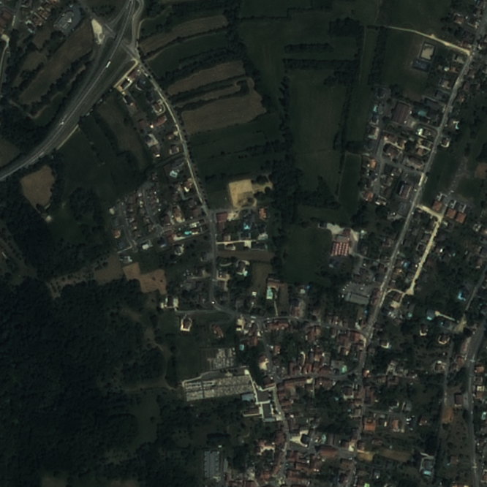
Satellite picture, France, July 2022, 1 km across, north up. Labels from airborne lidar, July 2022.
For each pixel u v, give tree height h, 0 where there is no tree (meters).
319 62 8
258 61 0
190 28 0
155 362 12
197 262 0
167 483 11
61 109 7
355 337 0
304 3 0
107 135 11
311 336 0
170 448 10
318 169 0
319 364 0
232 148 0
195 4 5
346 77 16
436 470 13
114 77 0
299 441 0
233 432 0
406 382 0
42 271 14
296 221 11
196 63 11
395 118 0
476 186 0
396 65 0
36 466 17
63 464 19
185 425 8
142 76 0
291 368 0
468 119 0
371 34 0
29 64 0
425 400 0
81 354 12
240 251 0
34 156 0
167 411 17
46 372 32
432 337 6
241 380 0
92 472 15
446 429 10
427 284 0
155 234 0
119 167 0
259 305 0
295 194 14
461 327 0
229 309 0
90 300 10
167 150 0
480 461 6
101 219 12
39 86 0
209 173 0
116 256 0
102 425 18
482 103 0
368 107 0
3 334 35
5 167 8
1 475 18
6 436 21
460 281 13
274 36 0
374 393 11
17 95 19
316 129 0
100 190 0
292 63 8
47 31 0
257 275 0
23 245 23
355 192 0
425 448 13
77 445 12
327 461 0
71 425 28
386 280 0
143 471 19
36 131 12
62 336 18
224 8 7
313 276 0
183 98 6
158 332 7
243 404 12
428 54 0
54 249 21
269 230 0
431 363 0
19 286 0
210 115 0
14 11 0
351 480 0
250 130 0
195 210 0
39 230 28
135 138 0
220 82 6
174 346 7
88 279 6
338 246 0
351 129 0
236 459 11
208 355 0
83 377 26
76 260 10
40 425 27
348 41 0
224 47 6
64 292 17
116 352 10
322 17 0
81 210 11
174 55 0
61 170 23
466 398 0
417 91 0
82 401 24
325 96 0
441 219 0
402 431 0
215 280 0
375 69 6
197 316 0
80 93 0
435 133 0
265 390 0
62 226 0
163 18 0
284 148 7
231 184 0
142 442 0
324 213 0
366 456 0
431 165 0
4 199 11
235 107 0
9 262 14
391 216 0
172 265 6
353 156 0
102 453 11
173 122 0
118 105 0
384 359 18
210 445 9
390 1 0
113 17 0
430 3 0
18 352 25
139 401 8
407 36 0
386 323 10
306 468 0
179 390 0
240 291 6
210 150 0
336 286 12
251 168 0
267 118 0
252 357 7
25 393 25
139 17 0
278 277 6
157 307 0
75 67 17
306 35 0
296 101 0
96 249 6
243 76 7
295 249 0
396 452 0
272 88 0
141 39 6
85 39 0
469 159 0
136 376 9
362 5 0
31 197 0
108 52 0
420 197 0
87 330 15
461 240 0
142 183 6
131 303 6
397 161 9
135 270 0
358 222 17
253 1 0
